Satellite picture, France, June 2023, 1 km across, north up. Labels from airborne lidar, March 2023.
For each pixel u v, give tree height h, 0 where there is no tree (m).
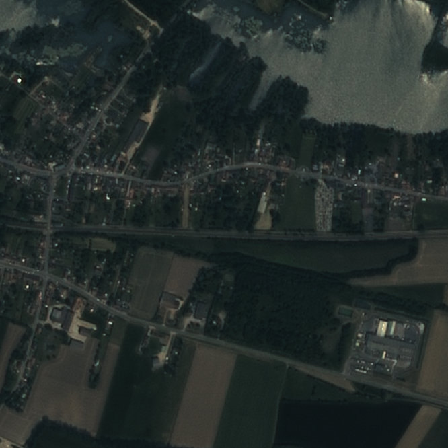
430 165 7
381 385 0
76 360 0
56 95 0
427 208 0
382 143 0
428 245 0
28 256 0
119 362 0
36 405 0
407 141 0
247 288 11
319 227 0
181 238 0
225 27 0
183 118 0
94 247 0
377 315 0
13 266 0
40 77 9
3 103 0
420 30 0
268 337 8
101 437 0
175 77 15
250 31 0
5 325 0
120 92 0
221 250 0
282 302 6
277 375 0
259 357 0
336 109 0
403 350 0
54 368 0
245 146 0
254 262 7
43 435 0
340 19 0
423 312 11
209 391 0
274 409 0
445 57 0
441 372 0
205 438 0
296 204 0
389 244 8
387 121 0
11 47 7
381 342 0
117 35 0
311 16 0
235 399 0
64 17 0
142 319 0
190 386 0
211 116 8
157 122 0
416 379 0
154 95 0
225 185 7
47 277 0
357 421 0
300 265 0
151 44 0
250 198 6
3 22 0
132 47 6
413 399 0
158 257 0
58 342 0
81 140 0
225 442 0
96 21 10
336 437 0
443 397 0
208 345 0
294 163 0
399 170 7
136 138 0
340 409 0
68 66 0
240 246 0
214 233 0
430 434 0
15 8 0
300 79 0
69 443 0
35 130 0
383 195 16
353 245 9
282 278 8
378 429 0
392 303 8
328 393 0
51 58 0
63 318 0
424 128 0
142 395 0
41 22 0
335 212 0
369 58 0
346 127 11
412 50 0
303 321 15
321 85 0
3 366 0
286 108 14
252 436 0
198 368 0
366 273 8
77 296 0
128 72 0
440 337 0
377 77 0
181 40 20
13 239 0
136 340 0
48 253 0
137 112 0
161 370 0
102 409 0
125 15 0
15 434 0
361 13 0
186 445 0
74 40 0
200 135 9
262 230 0
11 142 19
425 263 0
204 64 0
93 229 0
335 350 0
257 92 0
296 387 0
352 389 0
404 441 0
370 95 0
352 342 0
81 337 0
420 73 0
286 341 7
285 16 0
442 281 0
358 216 0
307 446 0
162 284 0
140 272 0
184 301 0
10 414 0
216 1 0
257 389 0
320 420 0
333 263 0
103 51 0
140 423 0
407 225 0
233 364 0
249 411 0
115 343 0
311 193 0
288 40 0
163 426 0
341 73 0
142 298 0
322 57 0
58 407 0
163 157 0
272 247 0
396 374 0
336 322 10
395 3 0
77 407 0
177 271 0
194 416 0
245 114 29
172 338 0
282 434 0
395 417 0
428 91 0
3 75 0
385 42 0
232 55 17
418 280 0
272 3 0
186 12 8
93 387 0
